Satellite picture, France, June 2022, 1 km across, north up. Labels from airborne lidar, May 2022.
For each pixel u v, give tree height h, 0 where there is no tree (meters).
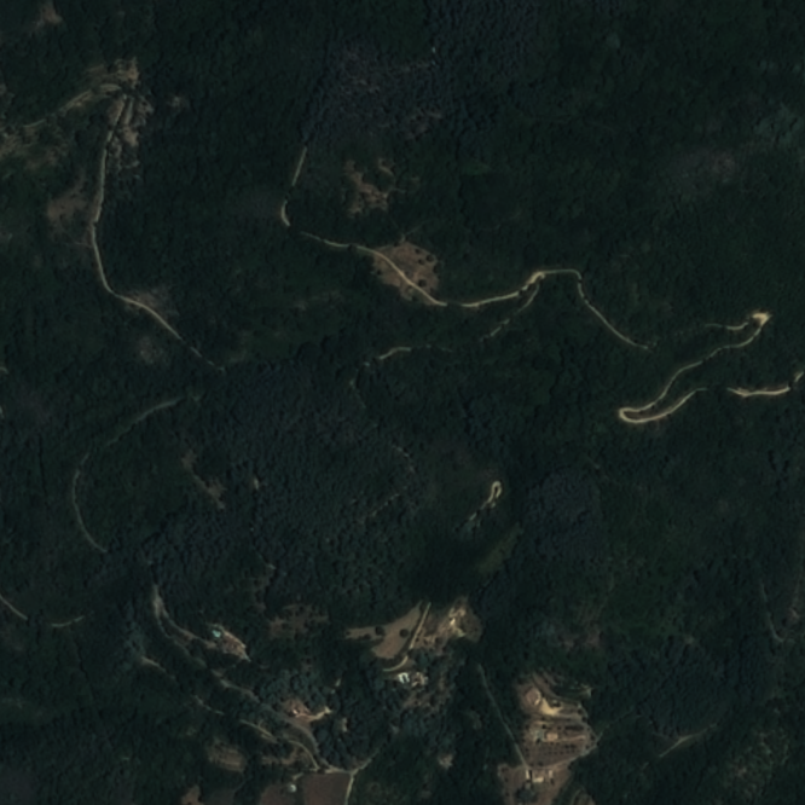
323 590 13
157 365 9
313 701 13
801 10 20
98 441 9
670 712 28
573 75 10
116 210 7
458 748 16
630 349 7
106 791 5
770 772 8
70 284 8
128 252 13
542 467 20
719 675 11
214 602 8
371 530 18
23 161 10
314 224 15
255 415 20
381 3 8
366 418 14
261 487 6
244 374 17
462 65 16
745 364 11
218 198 8
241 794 8
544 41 9
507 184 7
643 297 7
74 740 8
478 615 16
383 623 6
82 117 9
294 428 6
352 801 6
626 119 10
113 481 8
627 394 10
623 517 8
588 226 7
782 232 13
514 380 12
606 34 7
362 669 12
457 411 17
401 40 10
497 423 40
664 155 7
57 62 18
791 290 9
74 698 8
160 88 16
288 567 17
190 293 13
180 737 9
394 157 9
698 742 10
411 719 25
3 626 8
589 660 7
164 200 13
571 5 7
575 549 26
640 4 12
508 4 20
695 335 8
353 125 20
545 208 6
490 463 6
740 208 13
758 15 13
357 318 7
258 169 13
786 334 17
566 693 9
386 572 12
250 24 14
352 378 13
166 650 12
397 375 11
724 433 6
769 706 11
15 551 9
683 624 8
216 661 12
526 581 21
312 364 18
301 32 10
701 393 15
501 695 7
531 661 21
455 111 16
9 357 12
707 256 15
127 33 8
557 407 9
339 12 16
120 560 25
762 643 30
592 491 25
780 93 14
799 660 9
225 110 15
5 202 8
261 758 11
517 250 7
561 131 7
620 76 13
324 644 15
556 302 7
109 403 14
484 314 11
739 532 7
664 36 12
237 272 9
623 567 9
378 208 10
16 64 12
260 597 10
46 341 9
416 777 7
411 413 17
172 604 12
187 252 10
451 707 9
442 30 18
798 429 11
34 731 13
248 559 13
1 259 13
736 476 7
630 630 7
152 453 8
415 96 24
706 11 13
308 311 7
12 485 9
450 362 8
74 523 10
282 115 10
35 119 15
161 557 28
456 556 20
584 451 7
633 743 9
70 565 7
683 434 7
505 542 16
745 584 26
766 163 9
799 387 12
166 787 14
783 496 14
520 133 14
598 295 12
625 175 14
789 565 8
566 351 13
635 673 28
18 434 12
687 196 7
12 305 13
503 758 6
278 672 12
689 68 13
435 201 13
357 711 25
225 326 10
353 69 20
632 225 9
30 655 10
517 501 18
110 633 16
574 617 9
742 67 10
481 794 8
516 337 15
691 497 9
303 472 24
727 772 9
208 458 13
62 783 9
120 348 10
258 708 18
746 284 13
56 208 0
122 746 10
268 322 10
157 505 12
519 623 13
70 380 11
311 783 0
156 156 11
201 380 19
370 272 8
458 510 9
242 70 13
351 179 9
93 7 11
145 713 7
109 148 9
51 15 0
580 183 12
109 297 9
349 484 22
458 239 8
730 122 7
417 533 10
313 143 17
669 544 7
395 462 18
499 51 12
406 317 7
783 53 11
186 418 10
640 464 20
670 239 9
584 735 0
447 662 23
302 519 25
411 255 0
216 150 11
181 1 14
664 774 10
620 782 10
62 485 6
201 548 18
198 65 17
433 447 12
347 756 19
